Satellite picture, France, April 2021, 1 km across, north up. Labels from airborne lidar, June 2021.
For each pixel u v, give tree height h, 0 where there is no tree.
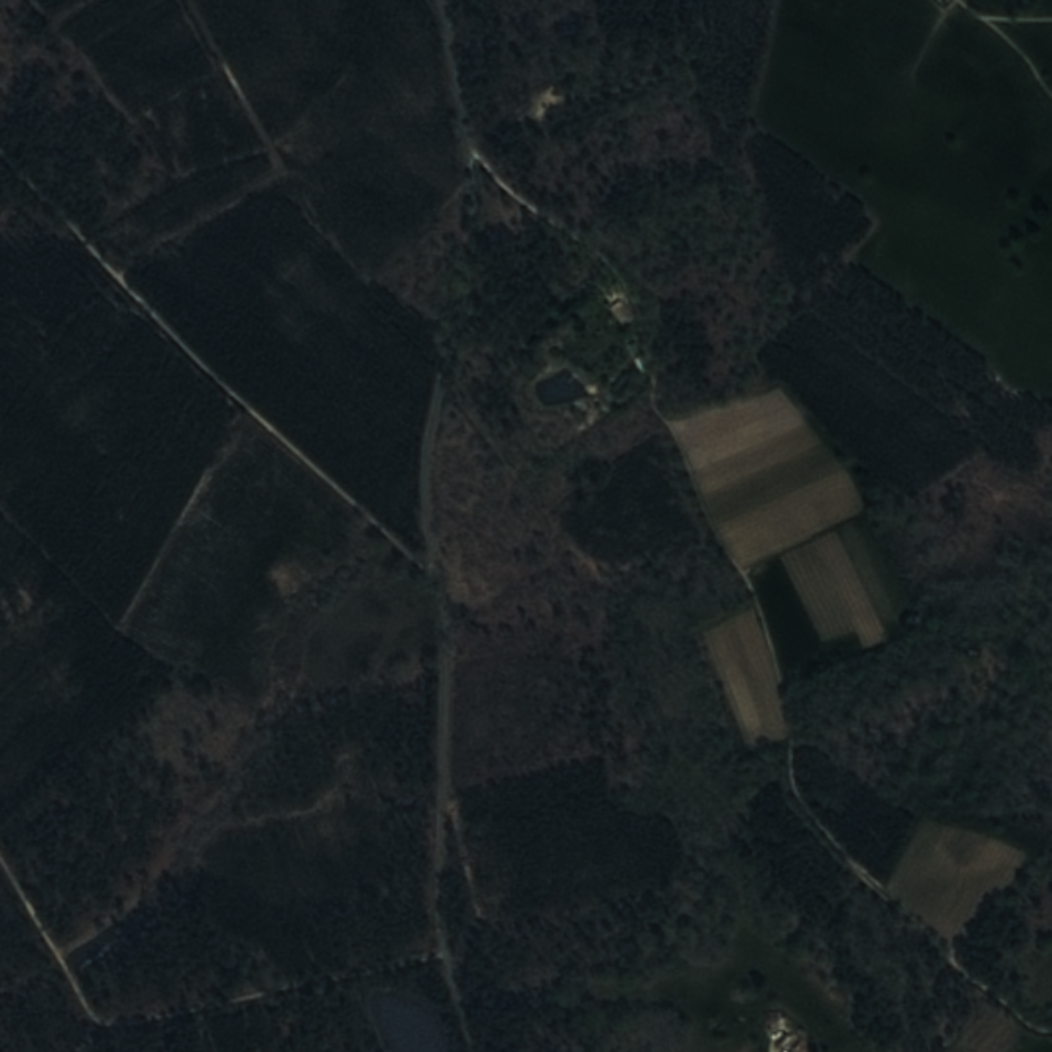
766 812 12
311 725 16
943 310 0
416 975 18
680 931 11
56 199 19
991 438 16
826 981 13
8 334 8
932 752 8
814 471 0
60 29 10
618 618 13
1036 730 9
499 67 23
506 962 19
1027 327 0
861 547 0
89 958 0
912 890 0
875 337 17
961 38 0
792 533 0
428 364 11
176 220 10
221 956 20
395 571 17
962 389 15
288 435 9
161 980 21
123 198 15
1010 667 10
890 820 10
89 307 9
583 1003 18
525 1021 24
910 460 9
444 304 15
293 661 8
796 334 12
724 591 14
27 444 11
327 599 12
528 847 14
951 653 20
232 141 12
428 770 17
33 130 17
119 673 12
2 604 15
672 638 15
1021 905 12
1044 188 0
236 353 13
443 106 8
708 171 19
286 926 11
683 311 10
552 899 12
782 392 0
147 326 9
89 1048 19
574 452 8
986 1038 0
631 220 17
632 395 9
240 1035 11
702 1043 0
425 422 11
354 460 11
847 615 0
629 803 12
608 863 14
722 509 0
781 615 0
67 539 12
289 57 7
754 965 0
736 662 0
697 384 9
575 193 7
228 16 9
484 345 27
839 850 10
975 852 0
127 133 15
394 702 16
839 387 11
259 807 14
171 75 11
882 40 0
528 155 18
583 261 11
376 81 7
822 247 10
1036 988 0
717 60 19
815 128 0
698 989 0
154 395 10
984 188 0
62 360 10
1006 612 20
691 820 12
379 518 9
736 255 16
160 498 11
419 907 17
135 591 11
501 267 28
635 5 17
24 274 9
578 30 7
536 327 29
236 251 11
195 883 10
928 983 7
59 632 10
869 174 12
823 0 0
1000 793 16
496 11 17
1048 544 13
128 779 18
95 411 8
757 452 0
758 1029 0
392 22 8
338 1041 14
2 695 8
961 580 18
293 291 8
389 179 8
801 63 0
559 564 7
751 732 0
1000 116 0
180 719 10
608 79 8
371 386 9
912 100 0
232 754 14
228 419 9
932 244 0
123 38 10
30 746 11
